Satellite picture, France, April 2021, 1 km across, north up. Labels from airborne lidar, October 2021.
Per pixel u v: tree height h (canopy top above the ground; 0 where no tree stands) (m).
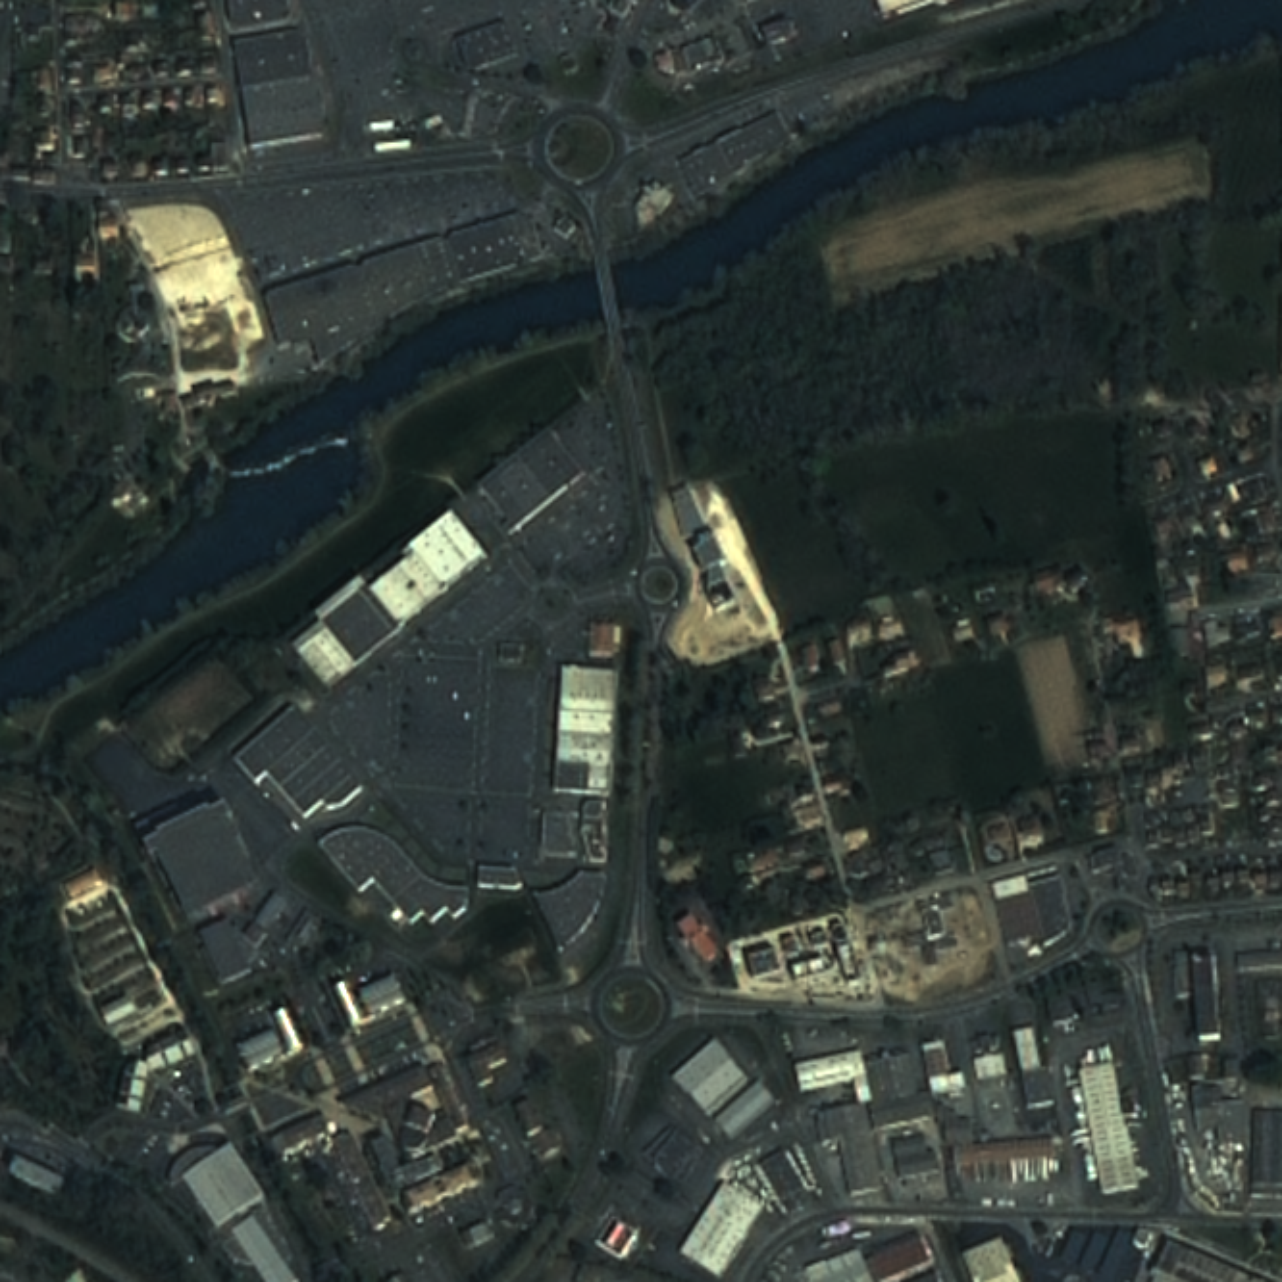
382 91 0
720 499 0
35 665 0
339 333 0
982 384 15
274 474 0
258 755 0
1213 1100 0
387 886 0
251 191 0
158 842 0
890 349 15
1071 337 7
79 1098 25
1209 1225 0
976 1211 0
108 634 0
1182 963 0
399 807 0
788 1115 0
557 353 0
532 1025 0
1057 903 0
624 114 0
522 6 0
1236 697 0
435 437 0
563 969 0
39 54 0
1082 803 9
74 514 21
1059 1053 0
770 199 0
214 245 0
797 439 17
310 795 0
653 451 0
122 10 0
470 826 0
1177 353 0
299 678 11
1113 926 8
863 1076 0
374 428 17
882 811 0
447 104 0
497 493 0
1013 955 0
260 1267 0
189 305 0
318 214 0
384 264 0
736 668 8
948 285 12
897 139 0
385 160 0
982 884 0
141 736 0
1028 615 7
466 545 0
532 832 0
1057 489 0
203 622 0
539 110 0
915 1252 0
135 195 0
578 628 0
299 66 0
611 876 0
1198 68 21
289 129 0
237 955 0
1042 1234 7
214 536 0
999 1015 0
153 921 11
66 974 20
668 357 9
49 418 22
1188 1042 8
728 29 0
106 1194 14
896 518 0
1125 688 10
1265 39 17
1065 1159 0
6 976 14
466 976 0
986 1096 0
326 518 10
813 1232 0
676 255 0
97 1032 32
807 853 8
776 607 0
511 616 0
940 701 0
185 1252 0
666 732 6
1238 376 0
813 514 17
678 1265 0
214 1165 0
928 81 11
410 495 0
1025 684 0
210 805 0
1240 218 12
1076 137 19
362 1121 8
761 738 14
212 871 0
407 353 0
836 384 15
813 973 0
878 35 0
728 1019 0
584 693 0
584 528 0
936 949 0
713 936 0
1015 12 0
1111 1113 0
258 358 0
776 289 17
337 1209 7
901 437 25
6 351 0
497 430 0
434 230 0
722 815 0
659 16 0
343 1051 0
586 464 0
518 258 0
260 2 0
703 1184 0
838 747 8
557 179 0
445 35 0
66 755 14
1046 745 0
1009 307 13
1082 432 0
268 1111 0
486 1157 0
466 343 0
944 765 0
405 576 0
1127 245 22
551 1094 19
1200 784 0
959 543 0
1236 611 0
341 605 0
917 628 0
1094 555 0
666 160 0
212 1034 14
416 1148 0
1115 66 0
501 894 0
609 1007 0
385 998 0
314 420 0
